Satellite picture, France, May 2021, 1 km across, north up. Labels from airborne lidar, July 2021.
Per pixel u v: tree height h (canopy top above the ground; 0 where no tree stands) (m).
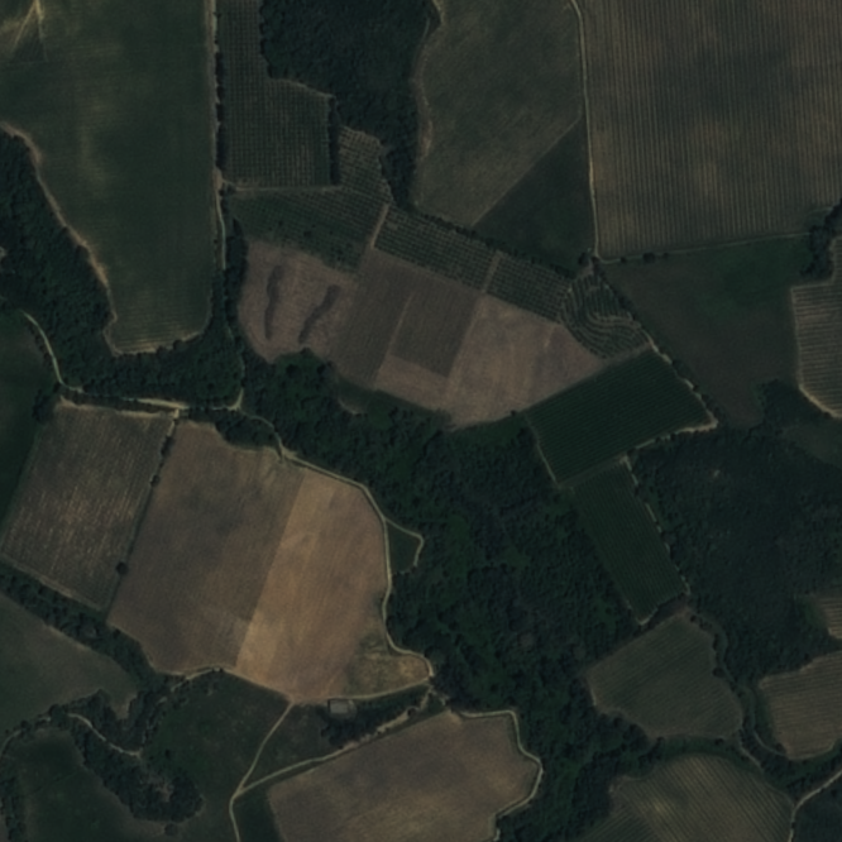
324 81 9
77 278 8
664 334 0
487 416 0
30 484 0
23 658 0
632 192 0
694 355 0
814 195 0
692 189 0
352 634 0
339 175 12
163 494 0
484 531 15
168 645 0
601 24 0
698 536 8
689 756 0
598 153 0
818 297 0
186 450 0
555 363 0
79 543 0
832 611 0
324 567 0
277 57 14
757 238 0
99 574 0
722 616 10
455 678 24
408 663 0
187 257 0
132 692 0
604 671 0
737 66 0
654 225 0
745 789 0
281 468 0
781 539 8
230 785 0
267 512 0
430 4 10
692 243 0
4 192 13
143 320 0
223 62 18
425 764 0
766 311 0
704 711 0
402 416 15
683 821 0
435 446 12
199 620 0
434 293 0
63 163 0
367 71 6
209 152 0
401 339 0
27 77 0
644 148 0
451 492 12
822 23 0
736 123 0
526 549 10
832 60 0
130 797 8
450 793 0
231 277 19
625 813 0
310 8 7
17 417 0
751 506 6
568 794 7
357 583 0
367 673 0
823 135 0
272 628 0
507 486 8
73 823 0
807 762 7
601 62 0
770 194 0
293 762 0
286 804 0
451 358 0
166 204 0
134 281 0
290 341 0
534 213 0
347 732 21
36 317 13
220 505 0
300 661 0
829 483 6
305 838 0
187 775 8
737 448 6
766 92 0
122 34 0
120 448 0
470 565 7
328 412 13
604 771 8
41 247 12
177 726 0
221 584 0
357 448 10
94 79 0
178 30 0
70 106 0
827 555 10
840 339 0
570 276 11
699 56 0
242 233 19
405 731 0
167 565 0
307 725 0
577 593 9
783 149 0
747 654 9
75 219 0
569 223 0
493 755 0
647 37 0
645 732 9
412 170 13
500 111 0
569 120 0
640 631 9
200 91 0
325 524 0
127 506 0
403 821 0
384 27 7
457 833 0
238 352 14
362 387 0
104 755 11
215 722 0
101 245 0
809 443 0
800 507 6
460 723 0
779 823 0
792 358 0
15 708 0
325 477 0
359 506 0
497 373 0
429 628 22
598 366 0
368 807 0
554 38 0
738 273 0
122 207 0
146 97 0
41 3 0
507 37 0
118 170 0
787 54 0
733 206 0
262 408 14
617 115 0
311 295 0
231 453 0
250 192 0
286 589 0
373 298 0
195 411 13
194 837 0
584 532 9
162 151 0
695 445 8
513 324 0
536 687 12
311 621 0
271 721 0
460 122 0
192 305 0
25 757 0
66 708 7
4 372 0
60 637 0
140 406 11
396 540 0
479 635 6
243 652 0
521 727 0
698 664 0
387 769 0
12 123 0
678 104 0
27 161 10
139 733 10
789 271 0
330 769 0
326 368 16
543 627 15
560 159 0
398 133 8
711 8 0
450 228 9
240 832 0
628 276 0
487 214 0
